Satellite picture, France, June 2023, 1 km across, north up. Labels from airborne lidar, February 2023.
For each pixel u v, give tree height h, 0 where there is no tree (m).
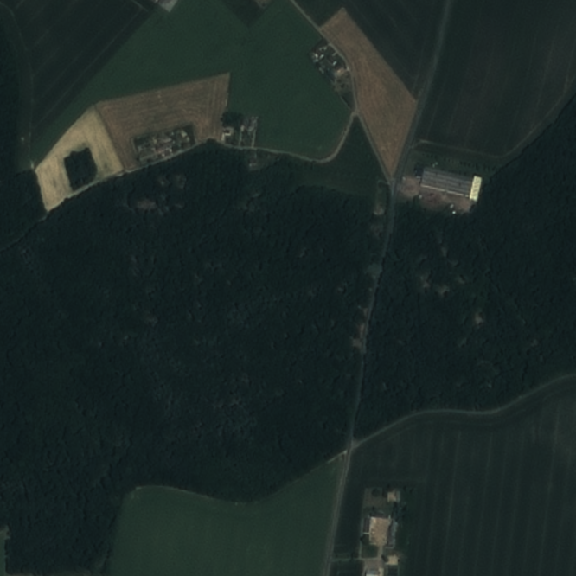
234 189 11
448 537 0
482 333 18
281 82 0
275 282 21
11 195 19
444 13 0
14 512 15
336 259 21
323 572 0
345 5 0
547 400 0
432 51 0
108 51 0
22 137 0
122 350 20
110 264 18
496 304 21
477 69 0
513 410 0
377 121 0
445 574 0
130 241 23
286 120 0
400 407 21
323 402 19
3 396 21
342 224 20
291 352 18
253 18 0
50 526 17
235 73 0
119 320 21
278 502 0
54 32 0
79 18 0
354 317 19
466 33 0
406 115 0
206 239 19
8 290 17
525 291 18
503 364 12
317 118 0
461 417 0
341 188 0
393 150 0
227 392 22
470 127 0
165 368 22
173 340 21
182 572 0
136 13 0
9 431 23
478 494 0
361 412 11
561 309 16
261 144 0
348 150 0
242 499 14
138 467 19
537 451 0
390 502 0
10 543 17
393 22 0
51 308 19
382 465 0
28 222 13
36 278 28
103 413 23
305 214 20
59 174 0
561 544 0
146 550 0
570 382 0
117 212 21
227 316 24
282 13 0
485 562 0
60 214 18
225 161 9
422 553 0
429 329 24
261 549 0
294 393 22
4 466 11
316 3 0
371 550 0
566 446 0
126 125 0
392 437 0
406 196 0
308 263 22
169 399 21
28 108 0
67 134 0
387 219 10
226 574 0
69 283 21
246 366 21
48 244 18
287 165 8
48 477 26
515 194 18
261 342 21
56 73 0
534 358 21
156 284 12
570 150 14
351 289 10
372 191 0
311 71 0
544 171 17
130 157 0
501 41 0
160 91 0
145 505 0
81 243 18
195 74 0
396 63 0
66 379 16
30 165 0
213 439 19
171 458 20
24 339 18
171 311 17
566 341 18
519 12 0
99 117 0
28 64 0
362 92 0
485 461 0
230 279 22
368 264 15
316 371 18
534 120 0
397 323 23
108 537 18
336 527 0
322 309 18
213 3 0
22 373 14
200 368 20
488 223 19
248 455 20
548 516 0
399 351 21
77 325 20
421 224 9
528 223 15
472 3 0
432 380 19
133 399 24
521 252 17
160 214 23
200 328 19
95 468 24
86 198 20
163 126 0
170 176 22
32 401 16
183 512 0
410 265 18
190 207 15
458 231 19
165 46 0
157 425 23
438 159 6
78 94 0
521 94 0
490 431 0
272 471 19
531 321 16
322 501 0
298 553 0
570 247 13
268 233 23
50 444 23
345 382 18
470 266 18
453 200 0
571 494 0
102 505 23
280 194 15
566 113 13
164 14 0
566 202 7
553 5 0
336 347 21
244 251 20
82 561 21
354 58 0
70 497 24
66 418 19
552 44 0
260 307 20
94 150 0
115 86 0
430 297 20
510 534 0
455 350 17
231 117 6
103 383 22
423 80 0
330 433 18
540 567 0
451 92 0
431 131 0
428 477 0
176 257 20
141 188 19
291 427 19
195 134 0
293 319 21
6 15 0
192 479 21
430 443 0
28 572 19
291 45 0
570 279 10
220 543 0
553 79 0
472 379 13
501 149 0
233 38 0
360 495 0
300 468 19
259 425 19
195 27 0
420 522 0
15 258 17
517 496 0
